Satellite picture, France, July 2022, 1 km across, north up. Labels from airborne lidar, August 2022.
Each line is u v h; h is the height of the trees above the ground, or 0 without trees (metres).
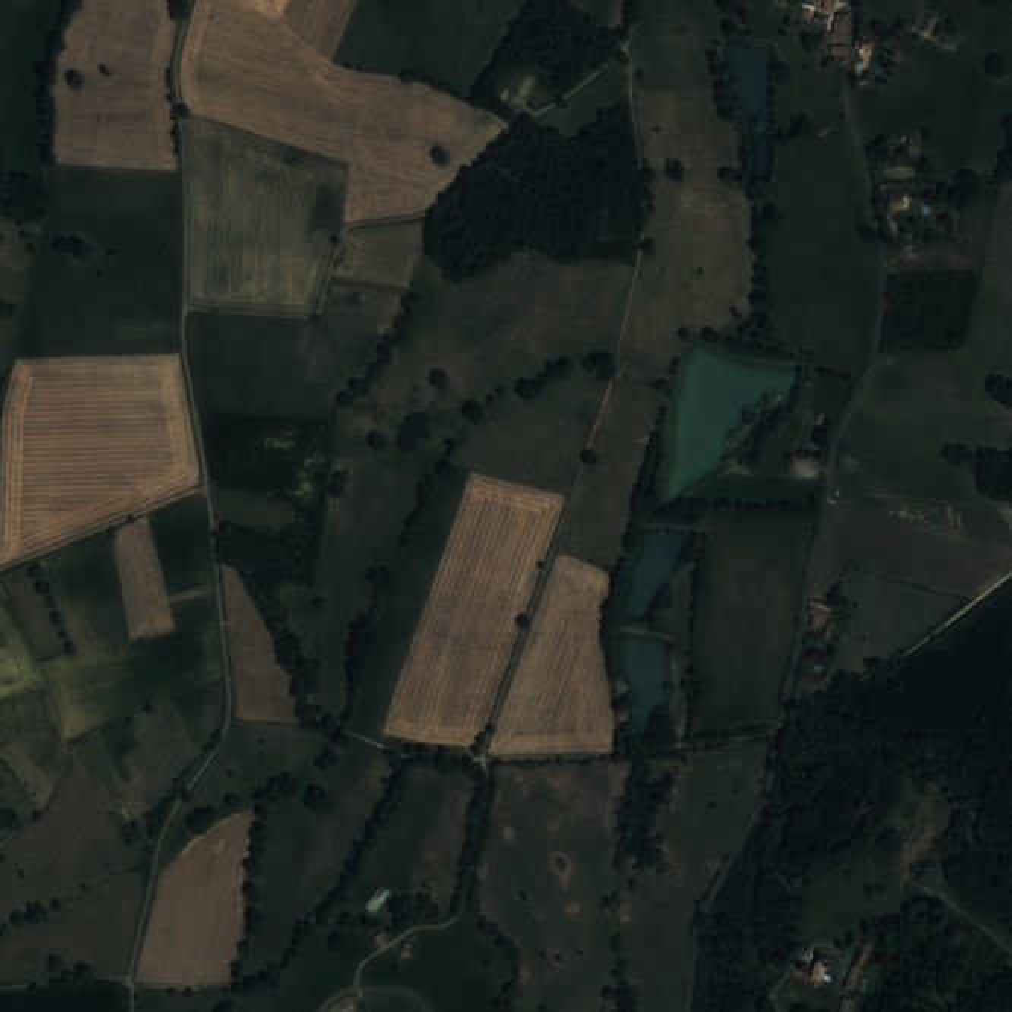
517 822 0
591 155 13
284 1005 0
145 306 0
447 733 0
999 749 8
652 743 18
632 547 14
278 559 12
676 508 16
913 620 0
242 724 0
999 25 0
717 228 0
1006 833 17
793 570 0
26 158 0
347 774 0
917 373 0
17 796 0
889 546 0
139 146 0
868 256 0
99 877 0
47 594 10
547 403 0
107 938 0
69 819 0
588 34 15
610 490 0
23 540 0
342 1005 0
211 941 0
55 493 0
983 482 15
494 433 0
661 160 0
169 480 0
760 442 11
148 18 0
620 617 16
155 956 0
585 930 0
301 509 7
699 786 0
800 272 0
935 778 19
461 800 0
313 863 0
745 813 0
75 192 0
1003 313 0
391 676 0
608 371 20
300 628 0
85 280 0
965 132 0
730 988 8
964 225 0
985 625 10
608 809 0
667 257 0
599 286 0
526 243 15
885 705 11
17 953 0
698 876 0
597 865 0
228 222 0
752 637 0
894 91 0
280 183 0
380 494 0
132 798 0
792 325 0
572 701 0
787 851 11
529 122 16
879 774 22
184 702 0
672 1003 0
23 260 0
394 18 0
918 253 0
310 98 0
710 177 0
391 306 0
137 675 0
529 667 0
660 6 0
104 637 0
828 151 0
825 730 23
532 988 0
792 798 21
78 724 0
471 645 0
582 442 0
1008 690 13
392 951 0
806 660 7
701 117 0
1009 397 23
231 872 0
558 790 0
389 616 0
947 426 0
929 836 0
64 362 0
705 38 0
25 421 0
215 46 0
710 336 15
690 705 6
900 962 12
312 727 14
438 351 0
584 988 0
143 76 0
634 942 0
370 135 0
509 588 0
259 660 0
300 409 0
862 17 8
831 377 10
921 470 0
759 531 0
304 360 0
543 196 14
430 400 0
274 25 0
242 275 0
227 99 0
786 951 13
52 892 0
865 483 0
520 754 0
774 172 11
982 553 0
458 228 7
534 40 13
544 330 0
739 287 0
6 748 0
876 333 0
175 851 0
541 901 0
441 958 0
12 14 0
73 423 0
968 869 17
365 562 0
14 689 0
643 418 0
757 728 9
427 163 0
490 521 0
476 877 14
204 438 0
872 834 14
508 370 0
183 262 0
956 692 14
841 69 0
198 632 0
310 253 0
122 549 0
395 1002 0
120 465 0
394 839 0
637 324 0
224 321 0
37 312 0
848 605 10
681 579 0
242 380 0
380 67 0
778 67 20
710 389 0
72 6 18
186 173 0
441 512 0
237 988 13
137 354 0
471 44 0
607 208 9
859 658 0
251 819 0
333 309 0
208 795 0
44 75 21
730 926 21
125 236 0
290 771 0
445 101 0
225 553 10
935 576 0
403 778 16
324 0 0
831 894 0
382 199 0
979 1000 17
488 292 0
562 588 0
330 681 0
